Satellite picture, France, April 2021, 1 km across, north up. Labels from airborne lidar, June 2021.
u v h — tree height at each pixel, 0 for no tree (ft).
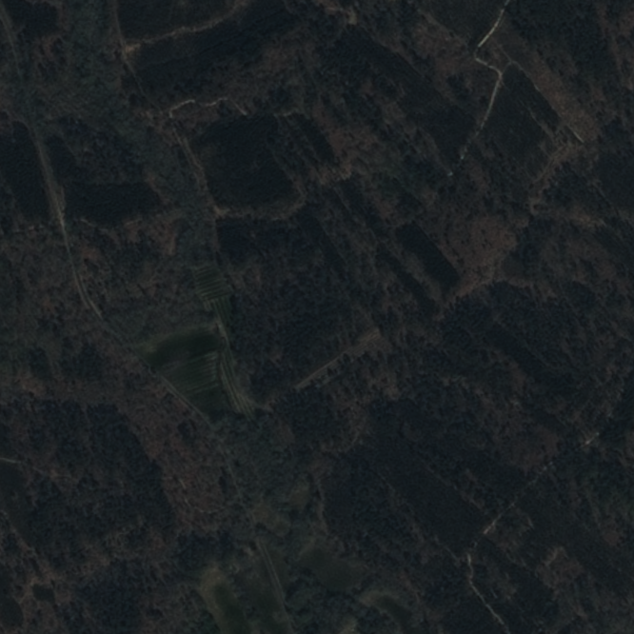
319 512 53
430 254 37
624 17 23
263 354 60
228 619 0
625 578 34
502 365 91
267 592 0
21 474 21
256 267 47
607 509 64
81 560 64
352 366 73
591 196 58
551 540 29
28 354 40
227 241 28
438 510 36
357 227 34
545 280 50
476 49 48
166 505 65
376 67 30
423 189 81
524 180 32
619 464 53
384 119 67
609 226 51
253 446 61
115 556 64
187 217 64
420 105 36
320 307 78
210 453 36
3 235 21
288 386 67
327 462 67
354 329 51
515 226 21
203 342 0
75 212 39
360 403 27
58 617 56
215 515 45
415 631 0
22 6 43
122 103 48
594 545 32
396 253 51
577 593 59
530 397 74
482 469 38
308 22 50
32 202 44
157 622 25
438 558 26
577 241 35
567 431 32
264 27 24
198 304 57
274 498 67
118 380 46
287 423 67
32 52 50
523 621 30
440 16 24
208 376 0
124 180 97
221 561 80
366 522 63
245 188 31
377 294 19
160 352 0
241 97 23
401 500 33
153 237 30
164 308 49
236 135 33
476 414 26
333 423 76
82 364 65
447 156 36
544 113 33
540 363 31
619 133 78
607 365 23
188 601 32
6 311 54
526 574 28
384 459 29
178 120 24
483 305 62
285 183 38
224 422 66
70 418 80
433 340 28
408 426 56
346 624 57
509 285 31
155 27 20
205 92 43
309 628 33
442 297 34
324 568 0
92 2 66
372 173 50
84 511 38
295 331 61
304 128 35
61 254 47
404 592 62
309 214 36
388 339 36
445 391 55
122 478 45
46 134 36
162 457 32
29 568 59
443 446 31
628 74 71
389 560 25
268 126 32
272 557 0
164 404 44
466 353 53
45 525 57
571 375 21
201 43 28
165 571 29
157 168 63
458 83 47
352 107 85
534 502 33
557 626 83
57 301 41
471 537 32
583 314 58
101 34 54
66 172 39
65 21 36
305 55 27
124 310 39
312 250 68
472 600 32
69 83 52
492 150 37
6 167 51
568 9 68
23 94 60
